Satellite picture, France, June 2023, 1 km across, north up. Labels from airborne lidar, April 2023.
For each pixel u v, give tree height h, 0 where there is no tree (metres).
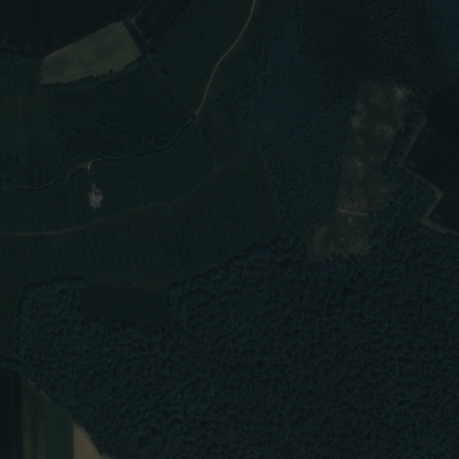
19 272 0
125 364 11
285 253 15
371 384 29
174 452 8
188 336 27
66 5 0
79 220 8
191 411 18
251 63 0
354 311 24
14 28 0
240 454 7
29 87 21
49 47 0
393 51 24
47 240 0
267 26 0
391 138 0
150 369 23
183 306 22
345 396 25
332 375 22
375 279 25
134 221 0
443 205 0
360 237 0
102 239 0
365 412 24
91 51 0
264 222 0
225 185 0
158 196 8
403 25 19
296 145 26
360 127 0
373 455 21
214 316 27
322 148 26
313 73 15
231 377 22
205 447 7
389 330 20
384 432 17
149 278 0
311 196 24
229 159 0
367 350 27
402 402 20
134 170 10
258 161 0
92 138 6
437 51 20
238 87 0
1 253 0
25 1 0
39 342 24
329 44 22
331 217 0
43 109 0
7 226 7
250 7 0
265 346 23
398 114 0
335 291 29
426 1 19
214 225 0
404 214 26
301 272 30
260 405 9
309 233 0
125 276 0
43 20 0
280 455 17
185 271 0
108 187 9
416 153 0
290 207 23
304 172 27
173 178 9
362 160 0
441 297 17
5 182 17
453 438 19
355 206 0
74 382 21
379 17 21
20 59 23
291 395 24
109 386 19
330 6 23
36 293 25
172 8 0
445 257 27
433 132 0
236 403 24
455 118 0
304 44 19
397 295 28
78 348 15
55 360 20
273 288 26
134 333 24
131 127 6
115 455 18
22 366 19
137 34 0
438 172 0
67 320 19
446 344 17
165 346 28
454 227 0
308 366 27
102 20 0
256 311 14
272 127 19
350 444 17
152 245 0
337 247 0
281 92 19
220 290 22
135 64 10
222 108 0
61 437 0
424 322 29
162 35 0
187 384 28
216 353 16
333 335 27
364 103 0
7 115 0
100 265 0
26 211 8
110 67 0
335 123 24
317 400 21
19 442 0
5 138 0
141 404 22
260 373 20
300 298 24
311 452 18
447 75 23
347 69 24
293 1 0
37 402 0
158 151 8
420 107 19
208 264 0
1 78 26
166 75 18
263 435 20
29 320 19
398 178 24
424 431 24
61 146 18
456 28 16
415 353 16
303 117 21
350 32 22
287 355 25
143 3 0
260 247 24
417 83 19
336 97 22
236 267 21
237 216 0
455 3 18
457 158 0
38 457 0
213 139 0
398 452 17
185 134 9
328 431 19
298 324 18
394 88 0
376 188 0
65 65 0
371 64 24
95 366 17
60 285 15
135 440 21
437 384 18
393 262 25
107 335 20
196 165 9
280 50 18
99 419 24
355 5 24
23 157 0
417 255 29
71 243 0
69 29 0
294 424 20
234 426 15
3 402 0
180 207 0
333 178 26
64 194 9
